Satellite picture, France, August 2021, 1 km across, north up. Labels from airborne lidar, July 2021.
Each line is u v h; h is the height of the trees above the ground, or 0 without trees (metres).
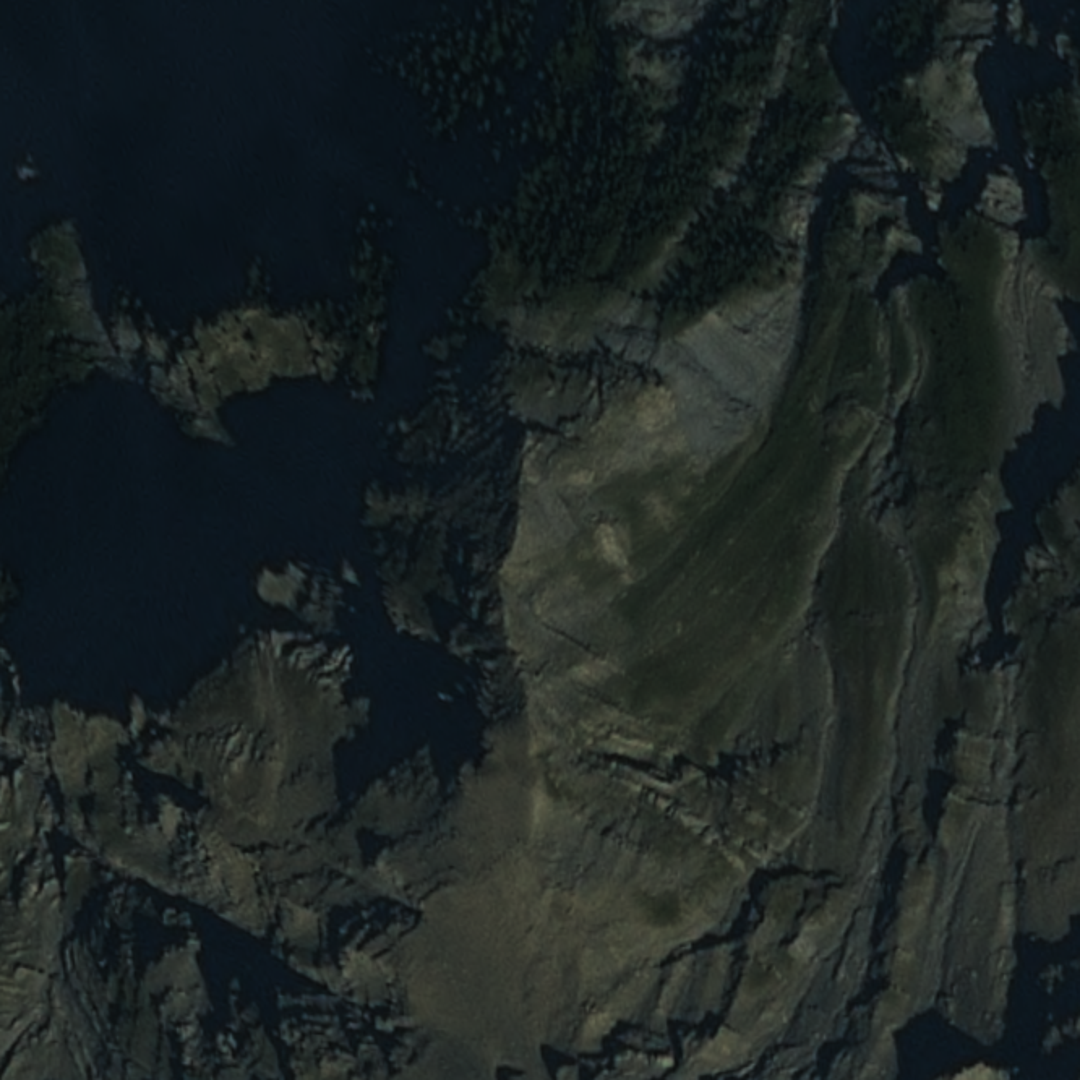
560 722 0
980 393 0
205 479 0
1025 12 0
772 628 0
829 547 0
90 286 0
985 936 0
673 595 0
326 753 0
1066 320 0
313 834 0
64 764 0
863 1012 0
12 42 0
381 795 0
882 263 0
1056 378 0
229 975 0
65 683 0
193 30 0
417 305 0
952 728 0
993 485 0
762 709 0
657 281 0
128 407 0
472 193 13
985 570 0
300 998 0
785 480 0
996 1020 0
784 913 0
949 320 0
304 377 0
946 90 0
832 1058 0
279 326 0
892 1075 0
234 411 0
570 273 7
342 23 0
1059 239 0
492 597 0
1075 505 0
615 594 0
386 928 0
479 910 0
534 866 0
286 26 0
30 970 0
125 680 0
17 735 0
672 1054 0
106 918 0
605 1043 0
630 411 0
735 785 0
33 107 0
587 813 0
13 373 0
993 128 0
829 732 0
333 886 0
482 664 0
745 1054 0
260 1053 0
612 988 0
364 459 0
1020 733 0
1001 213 0
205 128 0
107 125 45
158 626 0
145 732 0
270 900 0
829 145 0
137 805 0
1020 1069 0
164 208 0
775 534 0
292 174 10
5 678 0
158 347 0
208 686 0
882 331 0
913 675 0
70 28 0
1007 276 0
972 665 0
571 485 0
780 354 0
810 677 0
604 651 0
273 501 0
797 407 0
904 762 0
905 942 0
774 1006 0
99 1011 0
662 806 0
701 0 0
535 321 0
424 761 0
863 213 0
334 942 0
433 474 0
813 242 0
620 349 0
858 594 0
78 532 0
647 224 8
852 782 0
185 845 0
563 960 0
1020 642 0
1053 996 0
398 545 0
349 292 7
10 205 0
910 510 0
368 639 0
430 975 0
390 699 0
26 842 0
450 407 0
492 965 0
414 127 14
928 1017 0
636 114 8
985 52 0
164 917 0
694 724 0
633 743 0
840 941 0
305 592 0
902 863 0
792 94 9
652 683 0
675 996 0
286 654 0
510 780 0
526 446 0
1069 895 0
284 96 0
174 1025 0
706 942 0
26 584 0
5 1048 0
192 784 0
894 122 0
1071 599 0
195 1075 0
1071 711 0
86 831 0
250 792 0
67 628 0
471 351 0
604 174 10
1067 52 0
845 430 0
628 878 0
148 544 0
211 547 0
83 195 0
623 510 0
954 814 0
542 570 0
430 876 0
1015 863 0
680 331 0
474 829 0
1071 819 0
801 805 0
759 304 0
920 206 0
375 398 0
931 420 0
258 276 14
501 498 0
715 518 0
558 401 0
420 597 0
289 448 0
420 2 15
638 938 0
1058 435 0
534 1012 0
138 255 16
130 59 0
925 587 0
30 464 0
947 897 0
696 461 0
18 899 0
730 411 0
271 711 0
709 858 0
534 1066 0
